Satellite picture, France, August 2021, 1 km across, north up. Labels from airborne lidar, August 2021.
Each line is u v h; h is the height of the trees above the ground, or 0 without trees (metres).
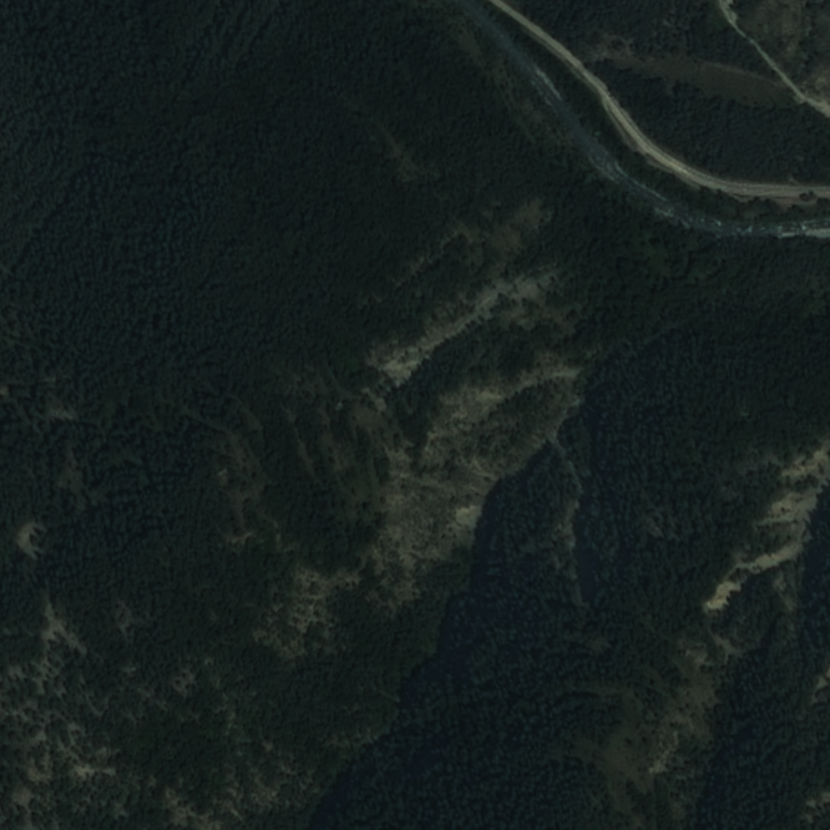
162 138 26
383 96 18
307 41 25
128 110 22
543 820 23
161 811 16
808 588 7
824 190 0
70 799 14
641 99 16
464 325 0
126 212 19
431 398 18
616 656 19
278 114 17
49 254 24
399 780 16
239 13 20
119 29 24
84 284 33
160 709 14
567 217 16
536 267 8
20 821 17
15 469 10
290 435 14
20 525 23
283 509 13
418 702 26
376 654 16
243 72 20
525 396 9
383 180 17
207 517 15
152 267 16
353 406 13
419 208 15
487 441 10
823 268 13
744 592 11
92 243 31
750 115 18
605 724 17
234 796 7
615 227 9
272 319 18
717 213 15
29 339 19
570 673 13
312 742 16
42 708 13
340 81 19
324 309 15
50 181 20
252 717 15
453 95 14
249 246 26
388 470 9
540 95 9
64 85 27
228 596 18
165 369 25
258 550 15
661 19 17
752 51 13
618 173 0
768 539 18
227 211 21
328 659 17
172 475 8
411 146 12
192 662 10
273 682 15
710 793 18
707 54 15
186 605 18
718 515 15
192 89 20
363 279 14
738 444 8
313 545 17
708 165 14
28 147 25
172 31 26
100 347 31
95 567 24
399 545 8
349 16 12
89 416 16
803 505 0
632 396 25
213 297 19
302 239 19
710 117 16
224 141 18
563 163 25
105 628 11
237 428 12
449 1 7
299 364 13
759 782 29
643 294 13
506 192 16
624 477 27
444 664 12
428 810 20
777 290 12
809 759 22
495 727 12
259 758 12
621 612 12
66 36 23
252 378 15
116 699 8
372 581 11
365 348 9
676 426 15
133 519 16
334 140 20
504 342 10
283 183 28
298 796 18
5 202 20
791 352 16
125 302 29
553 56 12
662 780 6
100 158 32
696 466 10
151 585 12
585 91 14
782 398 14
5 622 21
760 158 17
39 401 13
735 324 19
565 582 17
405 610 17
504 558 21
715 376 13
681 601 20
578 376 8
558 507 8
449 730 20
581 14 19
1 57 15
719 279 11
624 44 17
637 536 11
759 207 13
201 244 19
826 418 12
